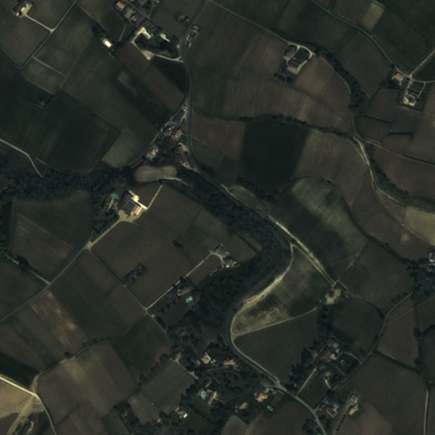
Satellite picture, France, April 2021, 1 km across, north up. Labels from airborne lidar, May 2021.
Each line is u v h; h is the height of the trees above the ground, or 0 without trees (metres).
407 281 0
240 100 0
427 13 0
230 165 0
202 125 0
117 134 0
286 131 0
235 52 0
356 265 0
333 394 15
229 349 8
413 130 0
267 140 0
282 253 8
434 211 0
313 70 0
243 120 10
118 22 0
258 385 12
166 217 0
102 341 9
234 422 0
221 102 0
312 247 0
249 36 0
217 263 0
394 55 0
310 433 13
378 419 0
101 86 0
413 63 0
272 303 0
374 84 0
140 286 0
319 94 0
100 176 7
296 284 0
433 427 0
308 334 0
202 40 0
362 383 0
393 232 0
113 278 0
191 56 0
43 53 0
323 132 12
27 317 0
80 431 0
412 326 0
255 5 0
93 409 0
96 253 0
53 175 13
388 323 0
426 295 10
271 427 0
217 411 14
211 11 0
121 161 0
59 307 0
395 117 0
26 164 0
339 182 0
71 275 0
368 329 0
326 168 0
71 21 0
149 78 0
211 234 0
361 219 0
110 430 0
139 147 0
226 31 0
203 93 0
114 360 0
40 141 0
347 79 6
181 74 0
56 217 0
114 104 0
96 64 0
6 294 0
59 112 0
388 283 0
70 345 0
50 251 0
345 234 0
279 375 0
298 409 0
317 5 0
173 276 0
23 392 0
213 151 0
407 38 0
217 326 6
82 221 0
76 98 0
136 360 0
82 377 0
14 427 0
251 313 0
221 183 0
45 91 0
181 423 11
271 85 0
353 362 5
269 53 0
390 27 0
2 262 0
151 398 0
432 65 0
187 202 0
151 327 0
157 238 0
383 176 13
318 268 0
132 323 0
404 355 0
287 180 0
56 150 0
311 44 0
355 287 0
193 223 0
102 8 0
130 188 0
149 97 0
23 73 0
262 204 0
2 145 0
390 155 0
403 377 0
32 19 0
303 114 0
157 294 0
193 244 0
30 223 0
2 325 0
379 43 0
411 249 0
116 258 0
